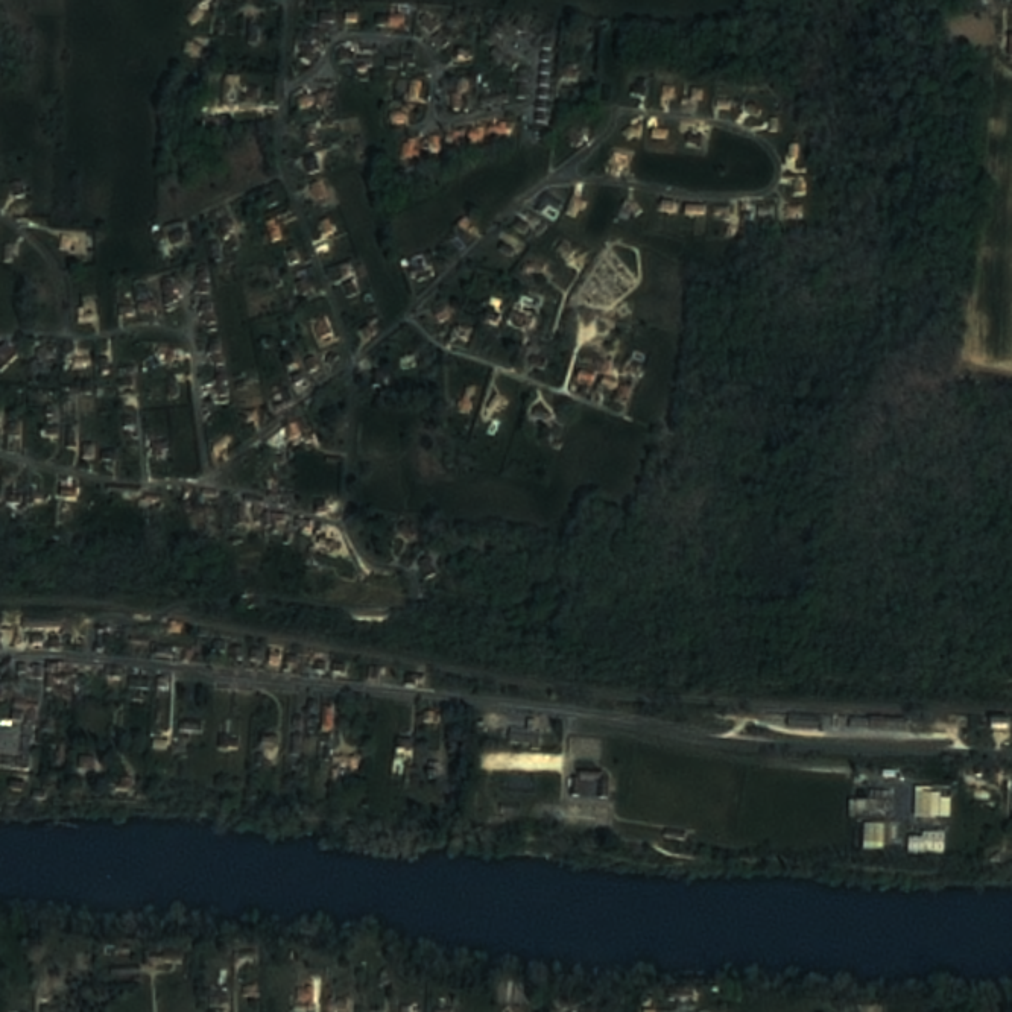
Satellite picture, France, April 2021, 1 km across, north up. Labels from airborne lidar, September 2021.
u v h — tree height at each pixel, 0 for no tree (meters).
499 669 14
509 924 0
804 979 13
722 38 18
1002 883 17
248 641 6
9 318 0
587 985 23
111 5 0
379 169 21
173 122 20
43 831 0
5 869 0
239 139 22
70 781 17
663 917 0
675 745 0
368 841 24
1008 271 0
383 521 17
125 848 0
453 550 15
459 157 21
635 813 0
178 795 17
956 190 20
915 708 13
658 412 0
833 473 21
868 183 21
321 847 17
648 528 20
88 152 0
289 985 0
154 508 7
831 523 19
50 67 0
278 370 6
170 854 0
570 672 22
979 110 25
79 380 7
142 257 0
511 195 0
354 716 14
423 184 21
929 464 16
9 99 0
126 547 19
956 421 16
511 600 26
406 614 14
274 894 0
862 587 22
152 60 0
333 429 13
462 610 10
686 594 18
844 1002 21
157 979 0
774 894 0
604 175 0
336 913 0
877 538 21
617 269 0
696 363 21
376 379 0
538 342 15
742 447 29
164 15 0
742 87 14
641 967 17
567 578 30
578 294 0
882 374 16
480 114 0
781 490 24
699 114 0
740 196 0
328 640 12
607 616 19
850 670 7
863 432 19
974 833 0
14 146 0
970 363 0
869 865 22
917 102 28
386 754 0
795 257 22
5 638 0
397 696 0
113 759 13
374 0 0
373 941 12
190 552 26
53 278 0
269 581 13
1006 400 21
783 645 22
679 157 0
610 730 0
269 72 9
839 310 28
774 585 25
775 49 19
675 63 18
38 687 14
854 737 0
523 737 0
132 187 0
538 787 0
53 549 16
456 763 10
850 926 0
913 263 25
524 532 16
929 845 0
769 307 15
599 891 0
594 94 15
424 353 16
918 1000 15
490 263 8
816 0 21
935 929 0
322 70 0
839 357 23
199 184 12
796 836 0
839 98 12
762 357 28
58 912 13
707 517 18
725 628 17
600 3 0
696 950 0
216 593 23
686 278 16
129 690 8
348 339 0
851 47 6
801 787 0
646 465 11
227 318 0
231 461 0
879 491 16
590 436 0
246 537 7
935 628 25
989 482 20
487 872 0
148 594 24
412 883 0
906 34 22
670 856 14
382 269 0
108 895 0
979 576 23
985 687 6
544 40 10
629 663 19
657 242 0
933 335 19
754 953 0
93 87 0
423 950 18
